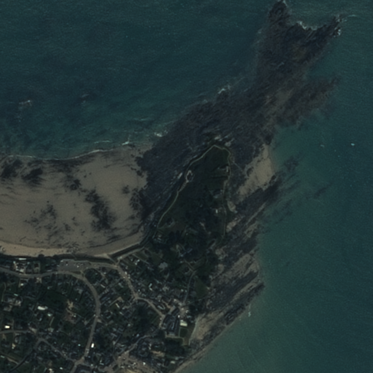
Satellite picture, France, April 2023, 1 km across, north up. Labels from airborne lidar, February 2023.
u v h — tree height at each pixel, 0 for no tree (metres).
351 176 0
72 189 0
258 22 0
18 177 0
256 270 0
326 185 0
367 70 0
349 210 0
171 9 0
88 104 0
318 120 0
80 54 0
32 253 0
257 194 0
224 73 0
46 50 0
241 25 0
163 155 0
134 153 0
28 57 0
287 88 0
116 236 0
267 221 0
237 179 0
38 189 0
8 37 0
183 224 0
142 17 0
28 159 0
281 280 0
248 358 0
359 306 0
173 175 0
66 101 0
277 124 0
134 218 0
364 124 0
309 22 0
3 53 0
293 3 0
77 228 0
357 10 0
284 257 0
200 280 15
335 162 0
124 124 0
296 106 0
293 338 0
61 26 0
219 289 0
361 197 0
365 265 0
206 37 0
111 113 0
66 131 0
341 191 0
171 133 0
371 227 0
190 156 0
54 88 0
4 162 0
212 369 0
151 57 0
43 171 0
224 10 0
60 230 0
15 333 0
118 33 0
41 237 0
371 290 0
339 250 0
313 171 0
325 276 0
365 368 0
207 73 0
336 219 0
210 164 0
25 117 0
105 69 0
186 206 0
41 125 0
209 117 0
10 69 0
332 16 0
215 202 18
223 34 0
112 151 0
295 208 0
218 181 8
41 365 0
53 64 0
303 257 0
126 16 0
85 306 8
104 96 0
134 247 0
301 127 0
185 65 0
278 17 0
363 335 0
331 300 0
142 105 0
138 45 0
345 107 0
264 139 0
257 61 0
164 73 0
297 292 0
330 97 0
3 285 0
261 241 0
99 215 0
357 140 0
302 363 0
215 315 0
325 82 0
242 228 0
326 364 0
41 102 0
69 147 0
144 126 0
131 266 0
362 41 0
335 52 0
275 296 0
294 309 0
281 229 0
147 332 16
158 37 0
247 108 0
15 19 0
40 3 0
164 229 0
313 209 0
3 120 0
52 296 0
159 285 6
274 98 0
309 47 0
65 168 0
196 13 0
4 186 0
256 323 0
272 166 0
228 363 0
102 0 0
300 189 0
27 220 0
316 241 0
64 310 8
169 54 0
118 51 0
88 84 0
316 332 0
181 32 0
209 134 0
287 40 0
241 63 0
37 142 0
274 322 0
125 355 0
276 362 0
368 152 0
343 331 0
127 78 0
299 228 0
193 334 0
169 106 0
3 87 0
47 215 0
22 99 0
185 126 0
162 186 0
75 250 0
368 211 0
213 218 6
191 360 0
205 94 0
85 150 0
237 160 0
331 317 0
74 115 0
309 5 0
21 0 0
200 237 13
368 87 0
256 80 0
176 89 0
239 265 0
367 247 0
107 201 0
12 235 0
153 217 0
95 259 0
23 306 12
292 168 0
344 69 0
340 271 0
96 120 0
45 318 6
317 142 0
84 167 0
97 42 0
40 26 0
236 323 0
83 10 0
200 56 0
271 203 0
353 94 0
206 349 0
